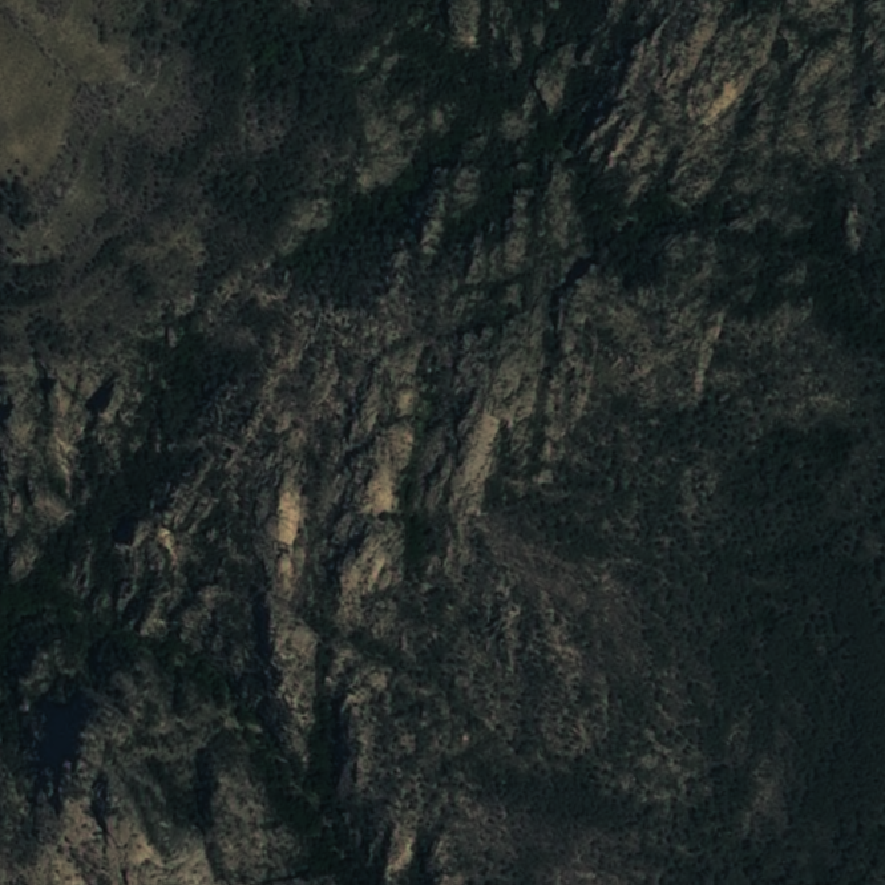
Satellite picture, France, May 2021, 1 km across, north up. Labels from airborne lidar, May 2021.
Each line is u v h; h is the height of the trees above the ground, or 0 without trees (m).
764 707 8
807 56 6
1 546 9
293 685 14
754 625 18
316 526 7
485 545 16
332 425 14
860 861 23
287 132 16
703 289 15
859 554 20
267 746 12
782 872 8
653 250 18
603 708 8
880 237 23
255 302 15
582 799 23
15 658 7
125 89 11
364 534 9
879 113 9
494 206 19
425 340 7
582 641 18
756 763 10
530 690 17
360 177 8
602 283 7
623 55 7
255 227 20
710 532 22
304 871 8
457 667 21
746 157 6
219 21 26
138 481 17
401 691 16
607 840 19
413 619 10
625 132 6
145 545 8
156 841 6
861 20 12
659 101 20
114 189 12
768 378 20
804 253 14
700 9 12
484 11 6
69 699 10
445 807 9
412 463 11
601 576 9
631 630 12
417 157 14
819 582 13
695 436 20
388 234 32
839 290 12
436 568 9
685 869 22
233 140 18
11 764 15
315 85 33
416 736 10
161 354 13
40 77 0
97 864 15
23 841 16
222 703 15
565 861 19
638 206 14
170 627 16
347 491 8
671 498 18
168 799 13
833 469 6
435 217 8
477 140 9
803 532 25
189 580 7
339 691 8
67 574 6
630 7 10
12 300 15
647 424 14
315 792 20
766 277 20
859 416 24
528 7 15
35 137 0
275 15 22
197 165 15
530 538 20
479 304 10
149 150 20
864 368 21
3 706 18
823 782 23
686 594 9
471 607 8
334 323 12
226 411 16
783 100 11
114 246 18
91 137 12
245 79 17
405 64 8
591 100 11
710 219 9
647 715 16
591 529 17
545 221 21
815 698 15
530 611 13
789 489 23
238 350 6
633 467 20
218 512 9
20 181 10
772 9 8
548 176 15
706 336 9
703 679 11
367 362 10
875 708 22
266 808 9
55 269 15
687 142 9
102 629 12
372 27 14
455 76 15
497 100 20
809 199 11
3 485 11
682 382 7
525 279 15
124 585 13
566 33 15
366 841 13
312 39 7
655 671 14
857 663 21
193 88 12
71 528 15
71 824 0
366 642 34
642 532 21
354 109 16
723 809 17
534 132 17
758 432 17
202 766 11
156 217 17
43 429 7
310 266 11
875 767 23
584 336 12
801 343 14
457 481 0
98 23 14
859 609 24
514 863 15
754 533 17
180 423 25
